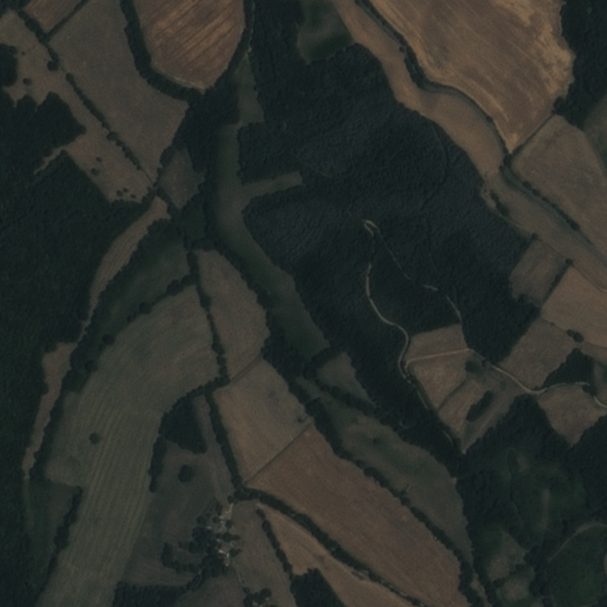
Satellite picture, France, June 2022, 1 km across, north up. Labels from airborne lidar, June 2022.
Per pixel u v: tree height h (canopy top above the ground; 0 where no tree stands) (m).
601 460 16
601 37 17
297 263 13
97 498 0
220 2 0
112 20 0
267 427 0
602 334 0
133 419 0
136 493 0
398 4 0
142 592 13
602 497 20
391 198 19
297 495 0
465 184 13
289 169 13
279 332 16
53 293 10
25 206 9
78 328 17
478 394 0
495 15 0
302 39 0
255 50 9
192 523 0
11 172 15
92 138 0
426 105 0
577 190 0
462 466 16
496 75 0
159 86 18
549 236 0
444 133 11
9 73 19
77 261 10
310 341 0
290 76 17
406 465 0
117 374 0
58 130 17
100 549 0
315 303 12
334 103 22
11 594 18
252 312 0
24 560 13
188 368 0
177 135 10
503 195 0
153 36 0
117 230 15
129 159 10
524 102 0
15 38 0
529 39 0
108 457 0
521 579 0
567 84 0
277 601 0
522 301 21
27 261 15
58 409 15
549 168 0
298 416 0
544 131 0
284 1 21
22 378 12
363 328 7
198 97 19
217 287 0
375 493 0
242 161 15
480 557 12
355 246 9
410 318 10
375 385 18
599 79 18
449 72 0
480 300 14
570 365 16
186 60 0
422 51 0
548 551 15
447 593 0
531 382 0
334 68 12
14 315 11
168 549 14
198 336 0
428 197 14
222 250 17
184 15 0
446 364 0
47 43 8
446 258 9
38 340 12
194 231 0
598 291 0
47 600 0
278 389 0
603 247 0
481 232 13
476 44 0
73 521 16
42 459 19
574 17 15
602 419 12
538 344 0
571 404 0
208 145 20
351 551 0
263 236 12
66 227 17
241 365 0
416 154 13
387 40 0
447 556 0
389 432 0
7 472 14
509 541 0
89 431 0
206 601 0
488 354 21
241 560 0
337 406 0
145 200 14
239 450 0
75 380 16
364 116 16
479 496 18
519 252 8
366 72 15
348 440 0
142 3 0
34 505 0
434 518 0
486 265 9
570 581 0
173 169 0
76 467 0
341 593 0
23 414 11
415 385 11
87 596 0
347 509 0
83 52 0
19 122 13
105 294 19
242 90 0
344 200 6
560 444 16
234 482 12
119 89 0
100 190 7
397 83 0
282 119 10
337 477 0
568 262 10
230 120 18
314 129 9
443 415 0
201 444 14
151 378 0
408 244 6
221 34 0
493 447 14
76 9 6
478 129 0
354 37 0
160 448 19
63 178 20
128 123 0
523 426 13
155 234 18
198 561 0
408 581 0
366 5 13
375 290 7
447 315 9
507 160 12
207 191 21
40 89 0
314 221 14
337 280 9
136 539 0
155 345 0
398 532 0
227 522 9
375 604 0
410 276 17
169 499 0
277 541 10
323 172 11
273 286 0
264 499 13
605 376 0
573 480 7
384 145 19
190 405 15
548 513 0
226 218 0
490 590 17
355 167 11
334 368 0
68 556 0
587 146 0
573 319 0
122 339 0
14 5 14
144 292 0
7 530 12
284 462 0
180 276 0
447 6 0
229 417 0
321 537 13
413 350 0
